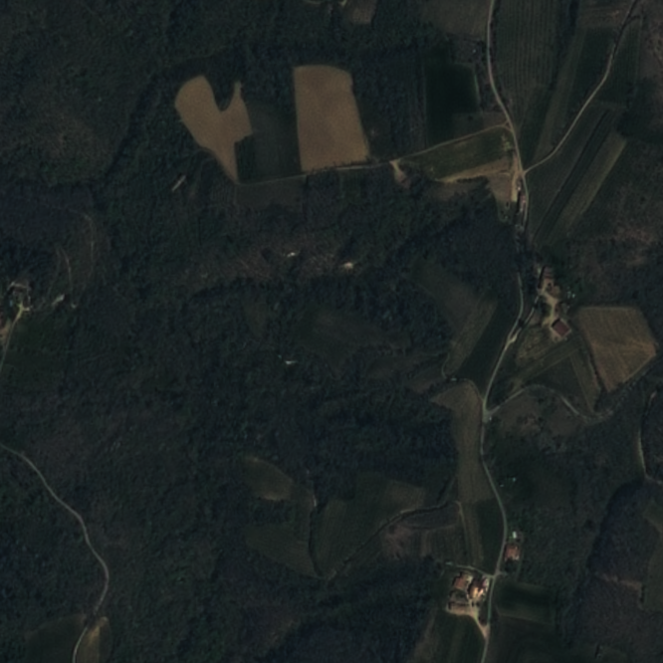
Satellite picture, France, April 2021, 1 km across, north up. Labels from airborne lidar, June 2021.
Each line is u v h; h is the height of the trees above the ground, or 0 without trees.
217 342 14
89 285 9
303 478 15
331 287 27
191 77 7
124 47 12
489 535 0
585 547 19
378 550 0
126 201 13
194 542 14
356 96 16
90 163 16
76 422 8
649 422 13
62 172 16
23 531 7
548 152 0
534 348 0
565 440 11
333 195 15
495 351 0
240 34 22
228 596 27
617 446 15
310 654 16
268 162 0
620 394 12
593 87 8
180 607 21
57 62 15
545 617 0
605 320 0
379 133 0
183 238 7
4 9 8
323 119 0
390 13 9
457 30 0
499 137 0
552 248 0
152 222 9
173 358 18
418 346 13
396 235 29
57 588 10
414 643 8
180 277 20
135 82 18
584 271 6
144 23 19
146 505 7
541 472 0
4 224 14
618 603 12
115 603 11
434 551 0
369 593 18
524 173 0
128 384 11
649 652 8
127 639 7
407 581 21
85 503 10
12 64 20
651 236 7
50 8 9
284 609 15
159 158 8
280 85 20
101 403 12
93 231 7
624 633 7
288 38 16
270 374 16
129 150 22
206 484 17
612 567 15
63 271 11
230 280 18
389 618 28
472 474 0
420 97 13
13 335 0
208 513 24
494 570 0
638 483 7
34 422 9
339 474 13
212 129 0
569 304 0
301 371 24
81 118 17
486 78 7
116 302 16
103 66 13
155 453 18
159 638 19
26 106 11
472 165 0
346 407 25
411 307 21
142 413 23
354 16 0
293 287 16
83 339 7
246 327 10
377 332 0
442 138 0
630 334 0
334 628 23
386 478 8
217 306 16
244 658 30
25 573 19
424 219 20
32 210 18
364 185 11
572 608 16
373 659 20
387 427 14
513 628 0
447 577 0
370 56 20
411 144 10
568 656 0
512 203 0
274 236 11
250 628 15
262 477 0
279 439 26
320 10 6
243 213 6
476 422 0
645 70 0
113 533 15
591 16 0
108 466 11
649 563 7
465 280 8
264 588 22
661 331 16
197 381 20
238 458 10
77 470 9
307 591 21
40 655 0
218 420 23
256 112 0
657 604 0
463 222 7
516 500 0
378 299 28
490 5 0
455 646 0
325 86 0
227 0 13
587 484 15
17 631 6
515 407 0
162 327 25
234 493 21
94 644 0
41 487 10
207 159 0
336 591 20
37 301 8
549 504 0
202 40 16
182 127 6
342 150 0
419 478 19
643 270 8
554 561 7
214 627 20
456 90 0
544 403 11
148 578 10
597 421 13
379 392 11
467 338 0
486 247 7
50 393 7
